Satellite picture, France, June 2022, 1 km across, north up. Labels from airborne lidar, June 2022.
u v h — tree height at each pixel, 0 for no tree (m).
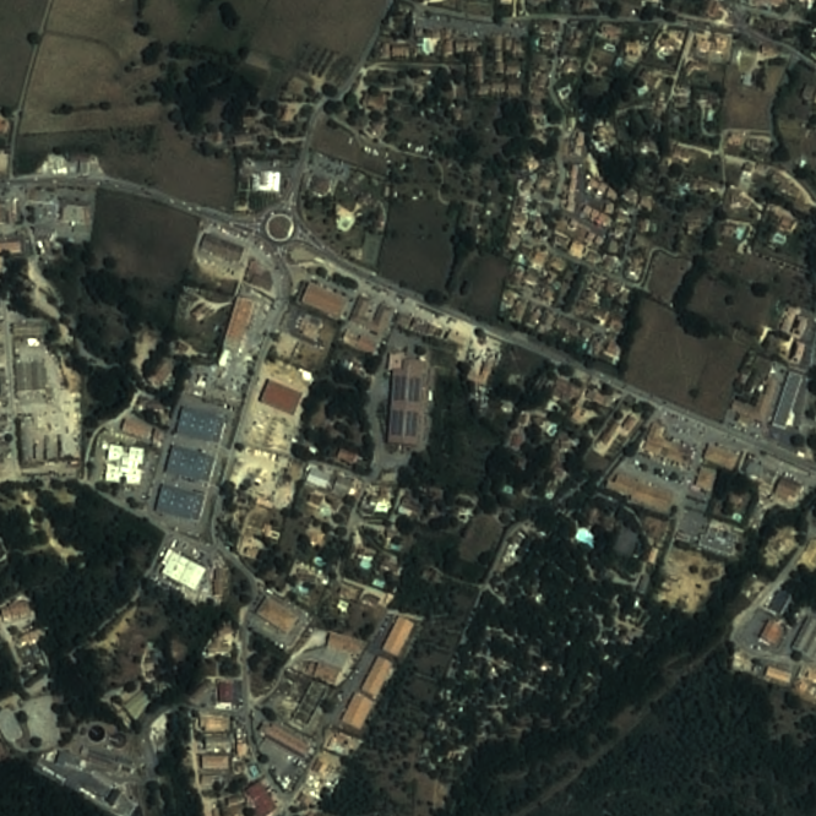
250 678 0
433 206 0
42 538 17
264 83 0
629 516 8
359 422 11
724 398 0
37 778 16
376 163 0
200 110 13
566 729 11
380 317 0
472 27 0
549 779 6
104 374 11
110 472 0
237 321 0
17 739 0
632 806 13
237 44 0
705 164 0
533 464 15
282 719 0
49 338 11
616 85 16
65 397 0
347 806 14
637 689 16
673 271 0
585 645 12
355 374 16
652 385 0
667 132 9
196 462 0
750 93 0
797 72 9
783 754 10
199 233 0
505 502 14
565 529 14
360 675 0
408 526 13
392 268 0
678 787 16
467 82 9
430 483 9
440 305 12
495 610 8
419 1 6
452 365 0
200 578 0
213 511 0
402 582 7
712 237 12
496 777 7
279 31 0
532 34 9
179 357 10
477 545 0
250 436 0
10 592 10
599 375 0
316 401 13
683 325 9
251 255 0
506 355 0
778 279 9
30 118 0
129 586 23
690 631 15
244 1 0
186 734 17
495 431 8
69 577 15
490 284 0
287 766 0
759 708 16
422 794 0
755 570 9
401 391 0
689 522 0
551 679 13
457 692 8
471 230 14
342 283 9
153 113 0
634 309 8
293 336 0
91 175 0
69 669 19
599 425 11
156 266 0
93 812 15
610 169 15
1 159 0
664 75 0
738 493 18
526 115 11
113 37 0
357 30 0
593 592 10
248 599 11
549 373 6
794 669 0
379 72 7
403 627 0
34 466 0
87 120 0
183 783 9
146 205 0
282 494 0
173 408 9
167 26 0
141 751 0
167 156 0
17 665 6
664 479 0
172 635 11
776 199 17
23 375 0
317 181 0
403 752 12
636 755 15
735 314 0
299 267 0
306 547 13
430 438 7
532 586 12
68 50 0
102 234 0
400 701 14
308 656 0
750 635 0
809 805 12
